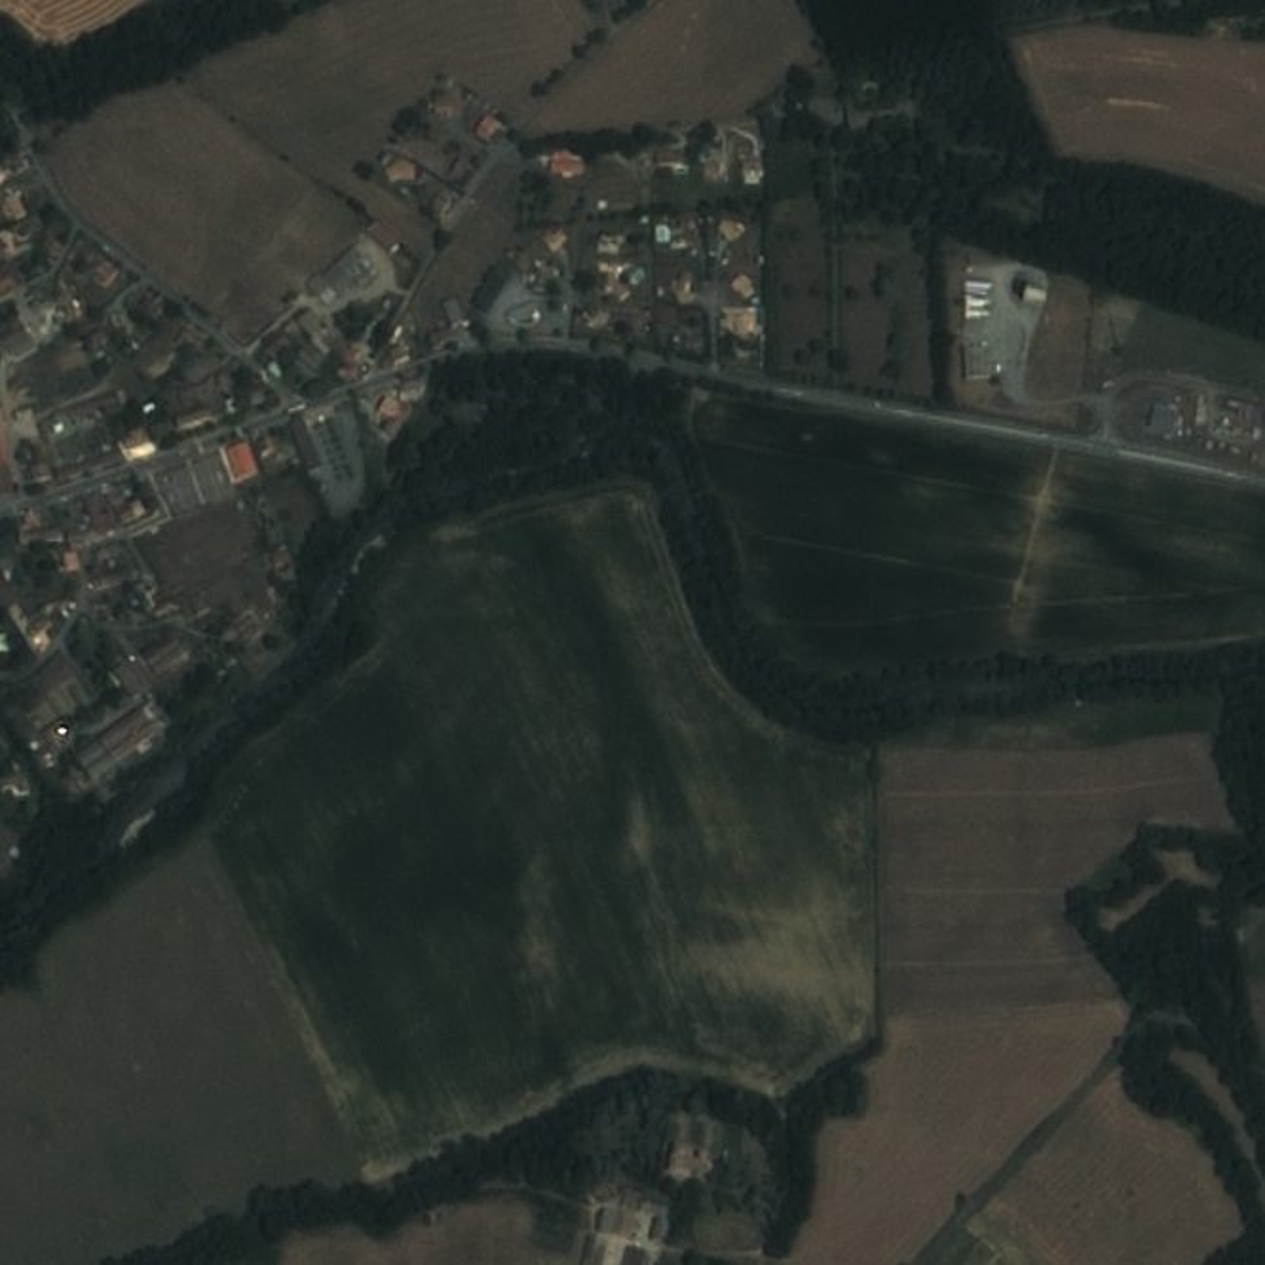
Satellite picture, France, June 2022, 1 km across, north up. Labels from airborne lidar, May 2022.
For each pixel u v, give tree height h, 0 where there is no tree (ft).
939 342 49
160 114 0
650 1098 70
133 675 0
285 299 29
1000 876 0
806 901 0
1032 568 0
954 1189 0
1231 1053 44
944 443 0
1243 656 64
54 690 0
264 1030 0
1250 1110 60
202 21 71
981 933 0
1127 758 0
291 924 0
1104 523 0
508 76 0
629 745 0
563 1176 56
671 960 0
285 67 0
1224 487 0
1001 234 78
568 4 0
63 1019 0
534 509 0
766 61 0
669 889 0
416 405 25
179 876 0
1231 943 21
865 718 87
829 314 0
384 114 0
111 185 0
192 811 44
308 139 0
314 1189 73
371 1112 0
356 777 0
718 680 0
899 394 30
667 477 57
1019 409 0
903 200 57
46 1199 0
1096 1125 0
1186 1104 66
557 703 0
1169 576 0
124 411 20
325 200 0
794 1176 48
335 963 0
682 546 79
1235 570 0
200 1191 0
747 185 0
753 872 0
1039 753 0
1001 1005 0
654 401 69
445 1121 0
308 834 0
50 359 0
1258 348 0
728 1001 0
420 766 0
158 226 0
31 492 32
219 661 19
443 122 0
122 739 0
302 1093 0
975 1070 0
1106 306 0
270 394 25
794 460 0
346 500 0
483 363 27
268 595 0
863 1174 0
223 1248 63
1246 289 78
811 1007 0
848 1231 0
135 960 0
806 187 0
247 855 0
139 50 64
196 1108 0
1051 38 0
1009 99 85
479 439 84
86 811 44
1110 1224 0
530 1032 0
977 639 0
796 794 0
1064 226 78
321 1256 0
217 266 0
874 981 0
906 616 0
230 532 0
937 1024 0
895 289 52
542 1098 0
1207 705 0
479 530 0
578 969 0
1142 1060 79
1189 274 57
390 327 36
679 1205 54
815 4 54
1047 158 46
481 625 0
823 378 19
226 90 0
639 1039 0
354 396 20
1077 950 0
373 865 0
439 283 0
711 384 40
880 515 0
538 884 0
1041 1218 0
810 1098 35
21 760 29
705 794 0
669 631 0
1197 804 0
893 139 43
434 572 0
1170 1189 0
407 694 0
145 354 0
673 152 0
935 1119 0
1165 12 53
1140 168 41
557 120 0
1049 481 0
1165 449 0
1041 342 0
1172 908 23
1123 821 0
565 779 0
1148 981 64
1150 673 62
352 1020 0
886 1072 0
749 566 0
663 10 0
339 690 0
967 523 0
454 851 0
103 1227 0
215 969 0
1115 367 0
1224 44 0
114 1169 0
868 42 51
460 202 0
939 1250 0
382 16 0
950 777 0
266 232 0
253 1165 0
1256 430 0
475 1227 0
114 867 51
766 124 43
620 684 0
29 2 0
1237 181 0
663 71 0
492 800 0
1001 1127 0
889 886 0
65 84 72
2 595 0
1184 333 0
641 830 0
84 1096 0
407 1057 0
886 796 0
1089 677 49
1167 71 0
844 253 0
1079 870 0
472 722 0
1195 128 0
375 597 0
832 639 0
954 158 54
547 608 0
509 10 0
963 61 45
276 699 55
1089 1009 0
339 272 0
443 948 0
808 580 0
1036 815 0
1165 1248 0
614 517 0
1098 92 0
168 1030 0
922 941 0
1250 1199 66
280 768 0
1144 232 57
